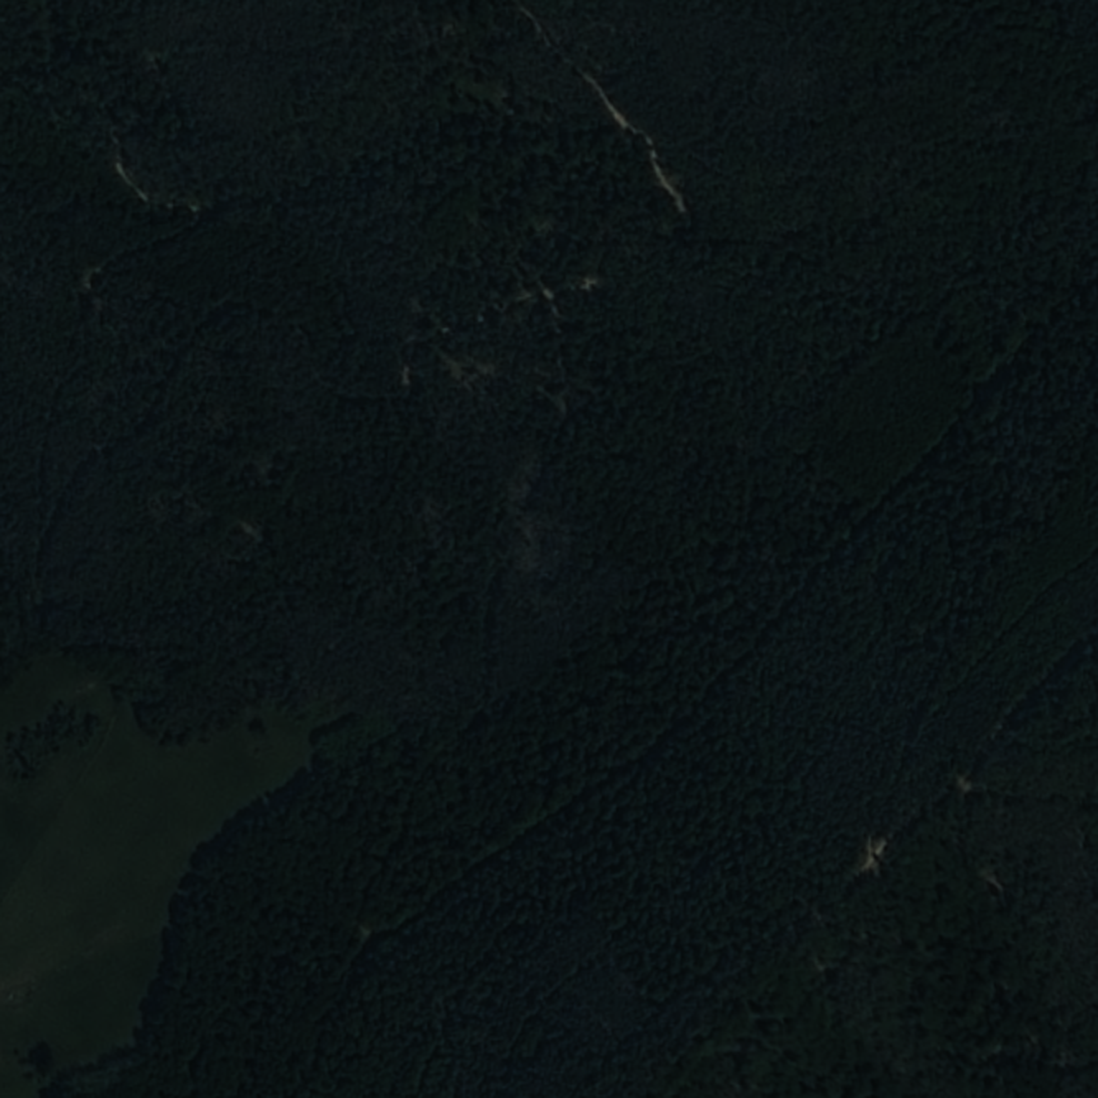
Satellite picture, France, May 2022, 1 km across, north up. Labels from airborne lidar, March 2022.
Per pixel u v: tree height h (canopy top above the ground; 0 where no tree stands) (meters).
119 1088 28
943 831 17
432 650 20
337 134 20
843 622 16
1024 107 27
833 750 20
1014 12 33
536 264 23
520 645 24
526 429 22
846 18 23
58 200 24
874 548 18
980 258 24
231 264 18
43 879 0
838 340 24
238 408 18
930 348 12
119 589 19
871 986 22
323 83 27
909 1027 23
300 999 25
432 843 29
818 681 16
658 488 27
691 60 17
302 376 28
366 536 23
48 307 22
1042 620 8
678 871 24
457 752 28
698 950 21
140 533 19
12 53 24
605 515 23
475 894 14
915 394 13
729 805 25
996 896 24
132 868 0
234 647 26
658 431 19
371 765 29
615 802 21
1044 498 25
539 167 30
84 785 0
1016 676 7
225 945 27
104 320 16
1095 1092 21
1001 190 23
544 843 25
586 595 25
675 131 22
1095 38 29
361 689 19
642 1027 15
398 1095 18
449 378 23
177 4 18
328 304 23
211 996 27
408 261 26
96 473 19
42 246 22
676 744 23
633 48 21
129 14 18
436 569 17
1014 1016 24
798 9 16
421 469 23
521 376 24
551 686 27
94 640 17
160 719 19
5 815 0
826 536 16
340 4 19
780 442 16
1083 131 22
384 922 23
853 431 11
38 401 16
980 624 13
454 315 20
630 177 23
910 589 22
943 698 14
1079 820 18
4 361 23
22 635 24
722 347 18
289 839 26
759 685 20
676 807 23
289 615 23
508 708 23
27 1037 0
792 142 27
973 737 11
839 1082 23
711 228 25
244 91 12
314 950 29
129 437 22
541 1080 23
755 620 21
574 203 24
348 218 17
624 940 15
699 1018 20
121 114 25
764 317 19
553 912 22
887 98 17
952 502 24
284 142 22
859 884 18
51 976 0
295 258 19
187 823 0
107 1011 0
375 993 25
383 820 29
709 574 33
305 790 22
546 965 21
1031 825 22
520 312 20
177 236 15
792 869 21
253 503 21
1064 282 21
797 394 22
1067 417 26
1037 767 14
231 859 25
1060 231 21
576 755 28
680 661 26
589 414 21
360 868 23
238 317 22
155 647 20
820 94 19
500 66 24
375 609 19
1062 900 21
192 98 19
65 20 33
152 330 22
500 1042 22
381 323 20
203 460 19
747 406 22
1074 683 19
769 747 18
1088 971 19
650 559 24
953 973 29
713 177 11
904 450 12
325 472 19
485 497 23
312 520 20
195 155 30
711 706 21
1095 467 7
